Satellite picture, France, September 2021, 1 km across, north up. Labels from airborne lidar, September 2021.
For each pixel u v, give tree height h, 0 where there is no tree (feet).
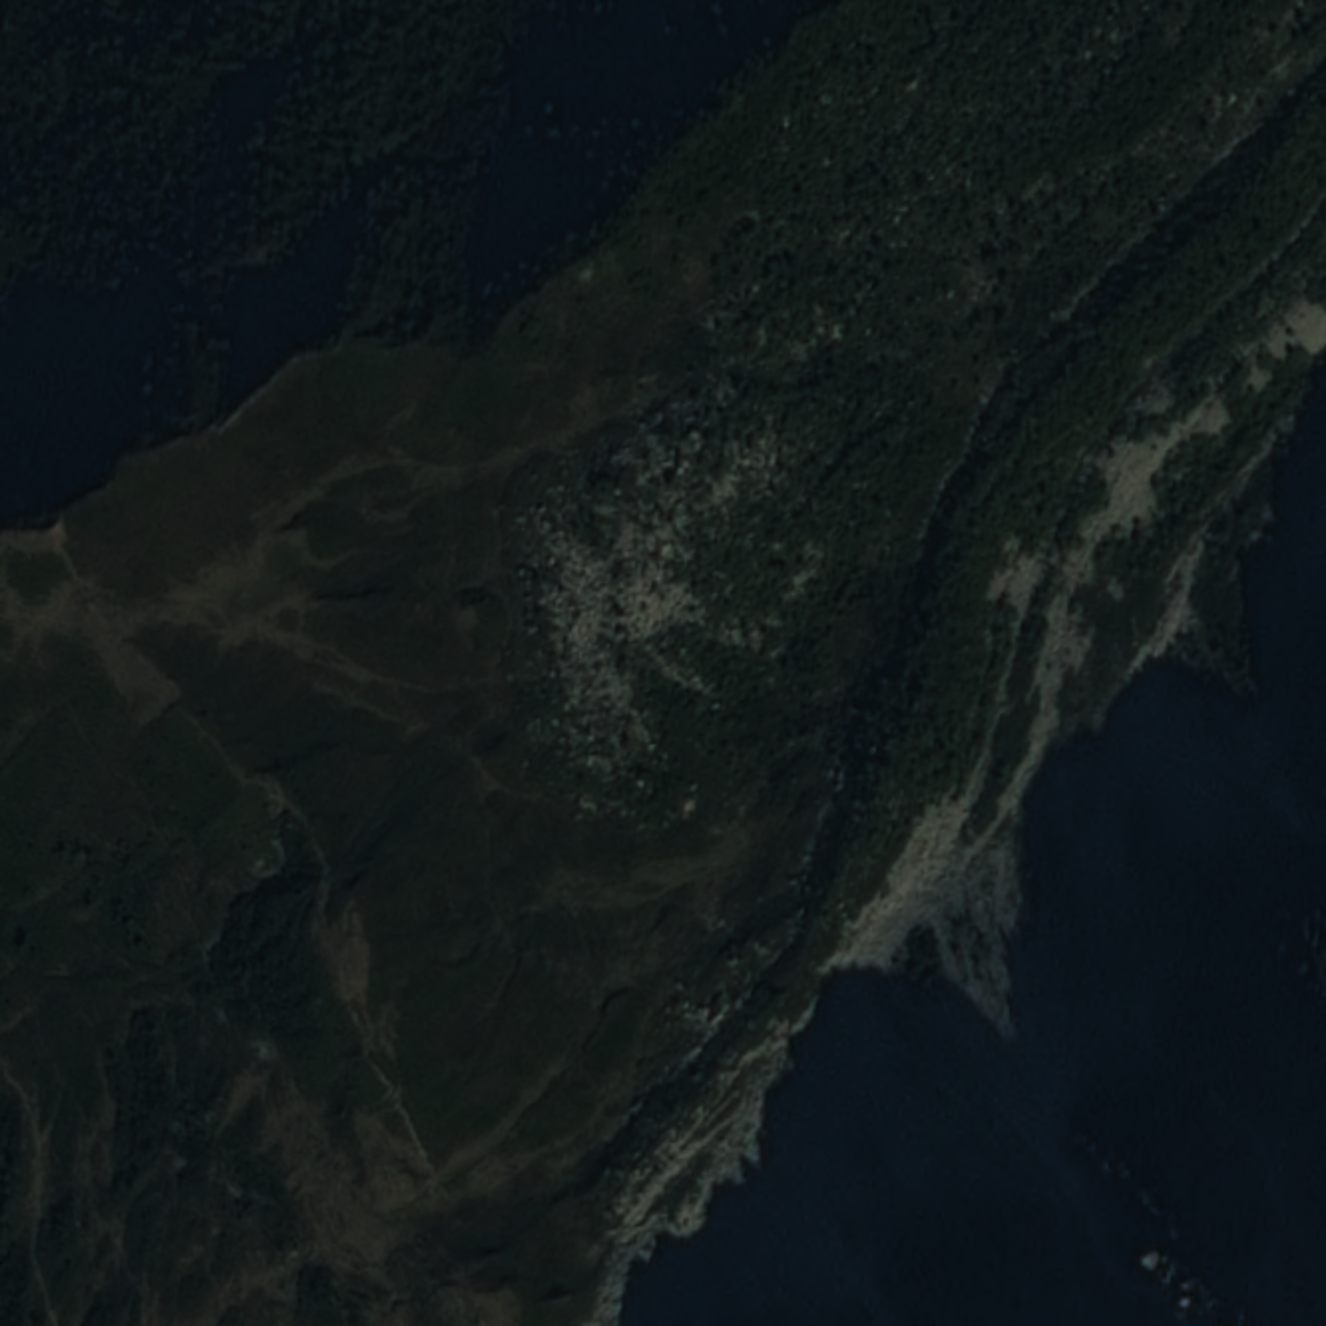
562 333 0
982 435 23
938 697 24
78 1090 0
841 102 21
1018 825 0
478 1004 0
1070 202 21
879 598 25
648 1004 0
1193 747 0
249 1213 0
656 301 0
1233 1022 27
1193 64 30
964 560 21
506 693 0
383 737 0
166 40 18
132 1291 0
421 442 0
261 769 0
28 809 0
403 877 0
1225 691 0
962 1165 0
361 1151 0
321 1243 0
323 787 0
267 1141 0
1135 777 0
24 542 0
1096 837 0
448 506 0
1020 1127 0
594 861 0
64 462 23
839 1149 0
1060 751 0
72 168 23
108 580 0
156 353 19
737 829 0
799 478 20
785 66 29
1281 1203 0
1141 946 0
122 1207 0
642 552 0
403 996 0
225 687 0
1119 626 0
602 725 0
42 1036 0
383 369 0
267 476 0
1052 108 21
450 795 0
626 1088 0
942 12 20
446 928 0
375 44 26
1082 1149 23
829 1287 0
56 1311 0
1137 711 0
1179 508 21
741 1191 0
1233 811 0
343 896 0
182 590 0
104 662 0
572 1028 0
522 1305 0
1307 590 0
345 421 0
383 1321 0
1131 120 29
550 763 0
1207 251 26
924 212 26
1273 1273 0
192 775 0
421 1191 0
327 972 0
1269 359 25
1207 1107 0
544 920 0
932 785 23
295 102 18
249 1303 0
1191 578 0
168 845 0
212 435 0
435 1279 0
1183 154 23
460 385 0
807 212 21
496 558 0
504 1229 0
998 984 0
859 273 25
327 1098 0
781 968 0
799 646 24
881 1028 0
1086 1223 0
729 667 18
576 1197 0
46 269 21
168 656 0
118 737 0
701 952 0
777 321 22
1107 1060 0
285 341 24
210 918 0
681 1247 0
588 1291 0
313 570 0
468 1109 0
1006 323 30
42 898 0
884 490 22
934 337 22
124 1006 0
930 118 22
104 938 0
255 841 0
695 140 20
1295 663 0
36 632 0
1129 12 25
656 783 27
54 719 0
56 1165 0
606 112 18
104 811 0
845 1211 0
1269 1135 0
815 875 0
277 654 0
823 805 0
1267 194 26
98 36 17
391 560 0
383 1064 0
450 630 0
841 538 27
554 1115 0
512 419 0
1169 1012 29
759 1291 0
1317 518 0
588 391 0
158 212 19
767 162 22
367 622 0
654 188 24
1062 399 22
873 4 23
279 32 26
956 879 0
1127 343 28
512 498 0
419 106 24
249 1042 0
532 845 0
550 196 23
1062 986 0
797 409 22
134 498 0
